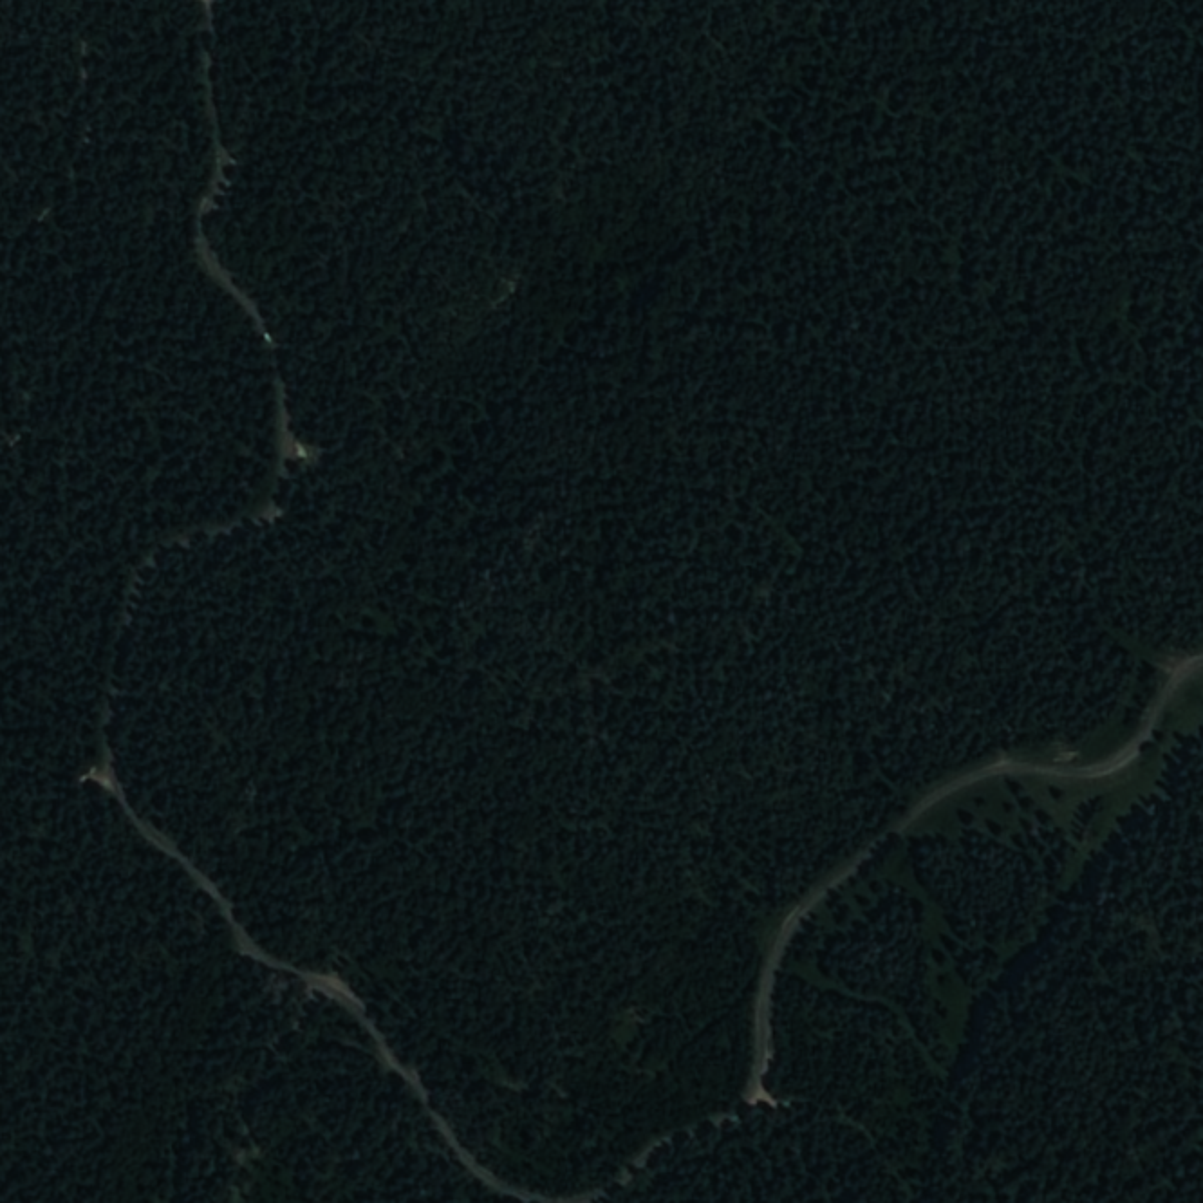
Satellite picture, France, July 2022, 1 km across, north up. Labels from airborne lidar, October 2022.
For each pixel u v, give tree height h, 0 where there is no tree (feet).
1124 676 94
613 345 83
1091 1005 49
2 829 20
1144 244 77
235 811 91
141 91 70
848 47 85
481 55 58
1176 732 0
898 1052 41
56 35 63
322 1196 78
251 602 81
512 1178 33
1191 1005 126
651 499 28
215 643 52
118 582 52
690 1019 63
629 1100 19
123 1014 77
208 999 85
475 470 77
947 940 0
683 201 66
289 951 86
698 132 48
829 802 45
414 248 65
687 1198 85
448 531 37
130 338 118
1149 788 0
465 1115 90
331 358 62
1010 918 71
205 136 79
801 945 45
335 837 64
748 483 31
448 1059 83
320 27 25
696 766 72
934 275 74
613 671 73
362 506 80
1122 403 67
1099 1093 82
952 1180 86
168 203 64
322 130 71
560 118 67
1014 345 63
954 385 47
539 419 71
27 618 44
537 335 92
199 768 59
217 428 81
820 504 31
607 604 23
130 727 87
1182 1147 103
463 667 98
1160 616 27
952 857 97
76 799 96
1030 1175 77
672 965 59
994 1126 91
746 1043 59
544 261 61
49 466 53
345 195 49
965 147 32
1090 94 35
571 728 42
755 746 72
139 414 31
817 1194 126
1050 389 107
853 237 100
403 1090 100
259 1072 74
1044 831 31
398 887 56
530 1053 96
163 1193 57
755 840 94
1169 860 45
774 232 65
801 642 52
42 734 75
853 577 27
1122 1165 68
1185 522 76
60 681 103
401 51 50
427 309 47
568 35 72
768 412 43
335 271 52
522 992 23
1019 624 72
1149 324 92
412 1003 67
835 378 86
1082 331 66
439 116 41
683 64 74
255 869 102
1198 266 103
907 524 78
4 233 78
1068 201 90
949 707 43
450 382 55
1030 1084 107
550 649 74
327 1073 124
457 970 71
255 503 45
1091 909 84
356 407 66
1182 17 101
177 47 78
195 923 103
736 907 103
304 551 76
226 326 69
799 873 103
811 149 97
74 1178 81
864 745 110
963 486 68
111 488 76
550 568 35
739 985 52
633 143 51
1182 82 95
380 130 72
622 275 84
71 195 79
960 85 24
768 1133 97
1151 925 71
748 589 28
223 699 79
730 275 74
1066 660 71
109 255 79
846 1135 73
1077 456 46
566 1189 38
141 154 66
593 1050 39
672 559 68
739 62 73
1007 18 94
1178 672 0
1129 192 120
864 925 36
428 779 86
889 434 57
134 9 70
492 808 92
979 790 0
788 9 22
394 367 73
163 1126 105
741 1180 94
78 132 75
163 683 95
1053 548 80
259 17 87
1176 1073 59
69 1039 36
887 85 71
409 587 106
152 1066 72
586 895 35
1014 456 90
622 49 84
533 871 35
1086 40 87
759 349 67
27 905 53
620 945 81
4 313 41
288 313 56
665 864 58
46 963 52
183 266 82
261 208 67
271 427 70
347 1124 102
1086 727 75
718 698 68
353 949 64
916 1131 35
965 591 67
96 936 66
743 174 76
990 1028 117
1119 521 65
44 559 73
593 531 89
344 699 111
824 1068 41
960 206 58
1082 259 20
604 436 88
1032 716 102
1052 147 31
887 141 102
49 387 79
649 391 68
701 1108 28
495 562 59
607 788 64
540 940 39
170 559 68
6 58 38
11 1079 51
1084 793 0
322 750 92
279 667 106
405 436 75
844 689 48
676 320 75
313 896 52
